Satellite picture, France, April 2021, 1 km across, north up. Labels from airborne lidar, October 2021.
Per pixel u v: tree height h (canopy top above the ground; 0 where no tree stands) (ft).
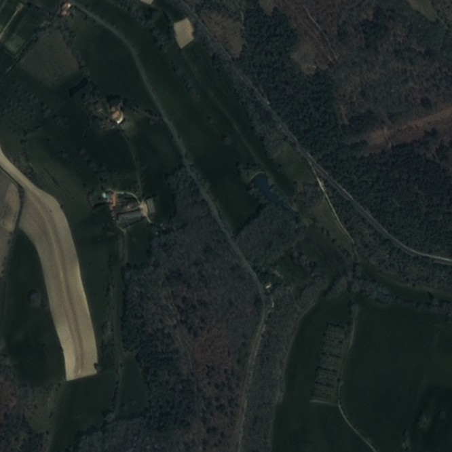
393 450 0
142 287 55
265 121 72
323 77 52
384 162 53
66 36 45
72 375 0
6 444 88
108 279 0
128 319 64
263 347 40
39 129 20
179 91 0
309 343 0
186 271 49
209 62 0
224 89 0
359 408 0
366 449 0
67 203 0
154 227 30
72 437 0
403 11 67
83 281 0
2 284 0
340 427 0
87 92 26
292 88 56
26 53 27
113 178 22
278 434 0
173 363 63
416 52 41
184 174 66
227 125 0
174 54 0
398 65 56
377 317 0
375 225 0
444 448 0
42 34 46
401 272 31
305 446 0
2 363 77
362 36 63
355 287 78
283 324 57
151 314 30
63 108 0
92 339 0
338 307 0
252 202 0
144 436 59
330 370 19
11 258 0
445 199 52
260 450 52
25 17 0
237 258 67
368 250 53
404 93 32
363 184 49
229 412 22
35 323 0
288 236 93
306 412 0
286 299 70
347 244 0
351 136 54
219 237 67
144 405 0
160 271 71
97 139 0
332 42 39
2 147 0
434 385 0
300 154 36
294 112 37
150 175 0
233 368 35
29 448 43
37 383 0
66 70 0
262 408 46
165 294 52
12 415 57
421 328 0
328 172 64
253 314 41
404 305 45
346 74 64
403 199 73
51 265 0
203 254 60
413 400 0
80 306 0
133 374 0
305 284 0
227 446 56
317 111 37
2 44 0
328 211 0
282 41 56
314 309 0
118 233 0
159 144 0
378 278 0
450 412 0
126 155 0
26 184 0
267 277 75
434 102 41
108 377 0
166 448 48
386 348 0
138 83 0
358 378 0
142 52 0
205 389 47
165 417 42
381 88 61
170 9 0
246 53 48
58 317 0
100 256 0
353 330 49
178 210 43
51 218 0
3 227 0
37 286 0
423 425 52
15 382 57
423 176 48
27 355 0
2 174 0
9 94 0
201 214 50
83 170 0
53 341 0
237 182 0
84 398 0
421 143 29
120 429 69
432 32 76
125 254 0
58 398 0
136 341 54
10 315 0
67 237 0
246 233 73
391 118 50
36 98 23
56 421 0
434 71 30
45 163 0
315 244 0
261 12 42
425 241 20
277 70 26
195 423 56
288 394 0
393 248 53
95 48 0
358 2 44
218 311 41
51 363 0
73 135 0
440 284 33
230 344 31
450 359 0
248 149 0
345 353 0
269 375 42
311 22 37
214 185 0
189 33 0
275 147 62
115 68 0
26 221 0
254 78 34
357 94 46
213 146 0
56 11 0
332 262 0
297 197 29
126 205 0
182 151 0
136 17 48
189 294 41
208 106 0
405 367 0
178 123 0
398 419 0
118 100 49
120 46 0
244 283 79
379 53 69
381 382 0
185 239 78
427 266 49
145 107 0
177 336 48
